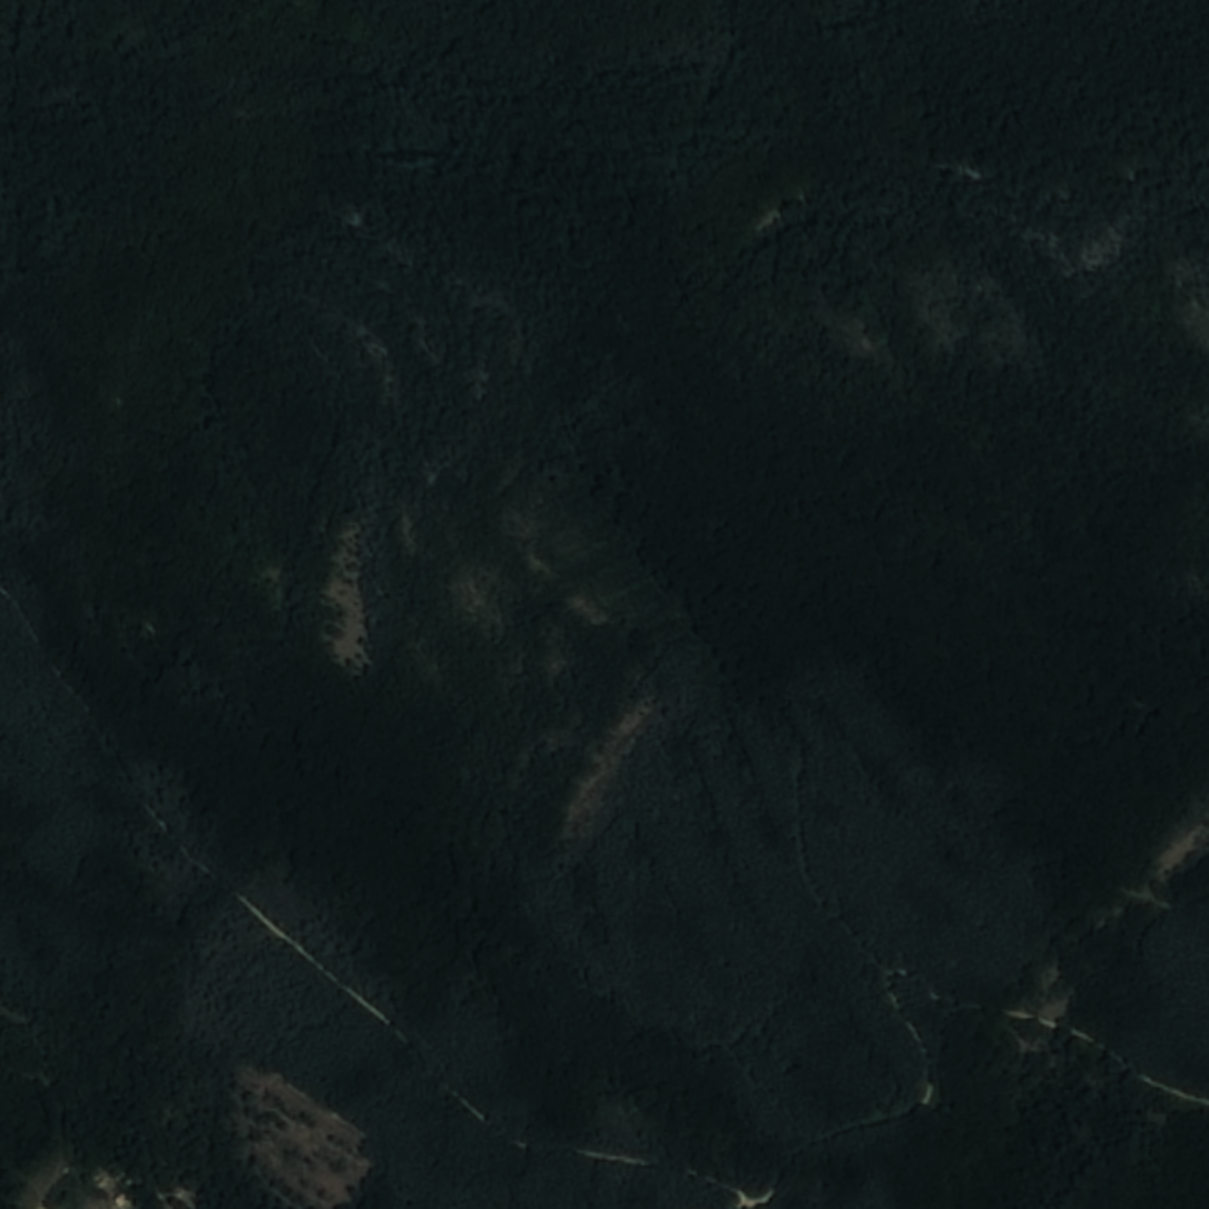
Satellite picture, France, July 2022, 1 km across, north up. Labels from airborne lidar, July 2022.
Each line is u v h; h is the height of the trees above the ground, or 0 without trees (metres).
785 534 16
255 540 14
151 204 17
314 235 12
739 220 23
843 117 15
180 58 19
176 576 19
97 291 21
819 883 13
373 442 6
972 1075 17
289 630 20
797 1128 13
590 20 20
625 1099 7
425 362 10
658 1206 14
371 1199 16
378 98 22
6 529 14
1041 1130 8
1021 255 12
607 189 22
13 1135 11
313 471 10
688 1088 15
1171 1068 14
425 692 9
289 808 18
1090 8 18
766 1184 11
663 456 16
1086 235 7
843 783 10
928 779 11
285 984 9
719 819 12
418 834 20
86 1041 14
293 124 24
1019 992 8
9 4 12
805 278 8
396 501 7
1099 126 25
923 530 23
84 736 16
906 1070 14
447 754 13
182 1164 14
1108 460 11
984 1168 14
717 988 16
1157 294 12
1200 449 9
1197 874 15
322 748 22
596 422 16
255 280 10
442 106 16
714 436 18
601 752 7
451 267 10
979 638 24
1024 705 23
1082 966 10
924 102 24
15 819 16
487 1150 15
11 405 17
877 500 24
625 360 17
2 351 18
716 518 16
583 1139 15
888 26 26
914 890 15
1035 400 11
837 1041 16
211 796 13
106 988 18
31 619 13
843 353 7
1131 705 23
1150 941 13
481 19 23
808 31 23
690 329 16
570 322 9
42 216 17
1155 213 9
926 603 21
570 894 12
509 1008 14
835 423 7
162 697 18
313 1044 13
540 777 12
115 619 18
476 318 6
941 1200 19
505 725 8
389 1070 13
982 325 10
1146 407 7
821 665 13
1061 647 17
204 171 18
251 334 19
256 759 20
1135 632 16
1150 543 14
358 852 18
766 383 11
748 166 18
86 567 16
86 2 22
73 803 15
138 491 17
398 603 9
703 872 13
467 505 7
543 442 8
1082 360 7
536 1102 13
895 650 22
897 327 16
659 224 19
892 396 9
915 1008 14
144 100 16
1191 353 10
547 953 13
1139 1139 10
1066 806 20
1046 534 15
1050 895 15
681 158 12
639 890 12
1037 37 20
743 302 17
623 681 8
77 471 17
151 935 18
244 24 14
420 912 19
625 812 9
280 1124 13
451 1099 13
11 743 13
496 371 8
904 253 15
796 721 15
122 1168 12
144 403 13
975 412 13
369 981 9
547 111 24
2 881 13
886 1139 14
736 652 20
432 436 8
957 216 12
